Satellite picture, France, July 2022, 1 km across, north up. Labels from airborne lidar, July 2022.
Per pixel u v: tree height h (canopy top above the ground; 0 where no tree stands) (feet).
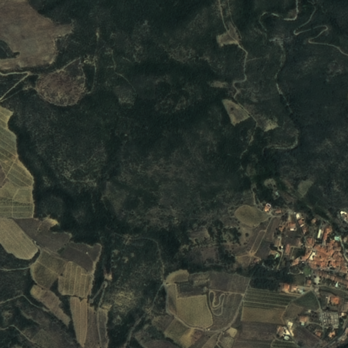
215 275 0
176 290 0
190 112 36
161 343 0
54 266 0
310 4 19
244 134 23
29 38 0
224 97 30
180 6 25
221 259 19
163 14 21
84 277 0
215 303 0
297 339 0
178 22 19
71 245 0
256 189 36
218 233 19
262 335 0
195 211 23
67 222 20
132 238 19
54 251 0
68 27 0
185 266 33
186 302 0
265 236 0
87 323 0
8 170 0
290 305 0
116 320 0
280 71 18
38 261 0
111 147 22
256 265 22
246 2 35
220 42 0
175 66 25
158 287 21
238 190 27
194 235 0
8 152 0
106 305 0
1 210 0
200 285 0
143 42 28
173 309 0
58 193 26
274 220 0
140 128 25
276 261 26
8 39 0
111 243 26
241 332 0
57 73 0
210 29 19
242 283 0
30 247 0
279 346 0
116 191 0
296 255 0
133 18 19
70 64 0
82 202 21
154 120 30
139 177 0
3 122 0
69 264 0
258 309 0
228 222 0
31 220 0
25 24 0
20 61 0
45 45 0
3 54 0
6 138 0
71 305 0
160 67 37
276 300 0
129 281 0
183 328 0
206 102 34
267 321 0
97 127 18
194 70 37
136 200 21
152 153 0
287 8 22
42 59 0
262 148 32
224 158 33
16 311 21
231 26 0
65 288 0
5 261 0
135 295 0
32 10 0
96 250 0
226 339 0
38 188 23
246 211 0
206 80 19
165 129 23
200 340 0
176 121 23
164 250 19
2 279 0
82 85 0
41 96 0
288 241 0
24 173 0
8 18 0
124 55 21
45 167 20
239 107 0
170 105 25
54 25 0
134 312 19
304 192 0
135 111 18
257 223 0
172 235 48
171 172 0
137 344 22
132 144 18
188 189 0
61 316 0
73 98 0
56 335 0
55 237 0
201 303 0
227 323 0
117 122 24
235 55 18
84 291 0
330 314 0
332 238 20
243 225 0
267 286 21
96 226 35
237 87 20
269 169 19
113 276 22
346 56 0
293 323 0
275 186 26
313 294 0
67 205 25
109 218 34
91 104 20
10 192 0
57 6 22
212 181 0
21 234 0
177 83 22
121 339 28
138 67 36
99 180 21
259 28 26
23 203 0
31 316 0
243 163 35
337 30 22
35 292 0
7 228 0
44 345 0
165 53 21
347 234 37
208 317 0
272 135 22
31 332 0
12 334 22
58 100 0
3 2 0
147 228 21
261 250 0
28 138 22
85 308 0
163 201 0
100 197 32
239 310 0
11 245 0
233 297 0
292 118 57
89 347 0
